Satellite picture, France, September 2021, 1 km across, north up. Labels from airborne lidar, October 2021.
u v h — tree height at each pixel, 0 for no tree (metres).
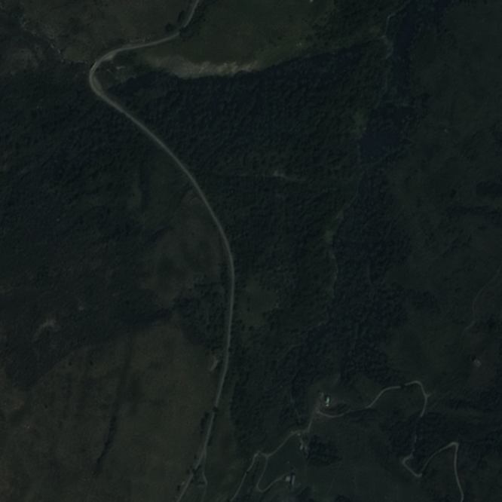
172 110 7
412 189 0
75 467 0
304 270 13
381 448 0
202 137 7
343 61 6
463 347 0
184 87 16
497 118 0
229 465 0
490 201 0
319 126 14
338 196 14
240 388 8
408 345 0
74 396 0
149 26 0
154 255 0
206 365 0
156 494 0
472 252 0
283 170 8
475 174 0
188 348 0
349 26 13
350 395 0
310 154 12
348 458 0
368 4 11
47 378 0
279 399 0
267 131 7
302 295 12
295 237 10
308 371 12
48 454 0
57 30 0
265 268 13
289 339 8
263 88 11
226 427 0
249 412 10
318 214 13
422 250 0
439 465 0
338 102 8
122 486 0
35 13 0
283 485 0
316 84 10
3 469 0
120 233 5
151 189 0
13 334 6
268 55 0
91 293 6
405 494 0
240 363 13
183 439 0
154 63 0
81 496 0
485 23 0
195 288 9
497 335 0
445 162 0
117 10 0
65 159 9
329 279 9
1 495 0
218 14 0
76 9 0
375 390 0
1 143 10
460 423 0
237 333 6
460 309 0
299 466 0
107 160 14
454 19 0
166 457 0
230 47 0
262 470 0
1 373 0
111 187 13
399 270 0
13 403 0
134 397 0
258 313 0
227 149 6
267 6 0
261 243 9
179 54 0
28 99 6
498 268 0
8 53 0
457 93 0
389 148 9
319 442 7
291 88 14
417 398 0
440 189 0
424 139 0
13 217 6
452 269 0
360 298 10
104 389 0
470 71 0
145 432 0
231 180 11
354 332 9
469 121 0
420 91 0
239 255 10
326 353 8
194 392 0
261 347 9
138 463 0
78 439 0
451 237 0
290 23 0
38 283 9
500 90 0
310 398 0
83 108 8
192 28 11
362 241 7
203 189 9
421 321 0
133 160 15
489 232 0
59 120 7
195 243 0
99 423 0
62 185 10
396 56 0
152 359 0
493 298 0
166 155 0
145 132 0
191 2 6
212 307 7
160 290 0
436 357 0
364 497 0
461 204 0
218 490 0
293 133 7
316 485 0
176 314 0
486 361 0
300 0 0
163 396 0
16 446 0
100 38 0
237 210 7
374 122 10
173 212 0
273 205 7
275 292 9
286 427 0
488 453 8
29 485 0
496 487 0
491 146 0
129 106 10
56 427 0
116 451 0
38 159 6
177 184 0
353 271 10
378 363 8
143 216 0
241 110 16
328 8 0
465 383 0
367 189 6
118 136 13
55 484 0
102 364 0
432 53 0
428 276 0
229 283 15
